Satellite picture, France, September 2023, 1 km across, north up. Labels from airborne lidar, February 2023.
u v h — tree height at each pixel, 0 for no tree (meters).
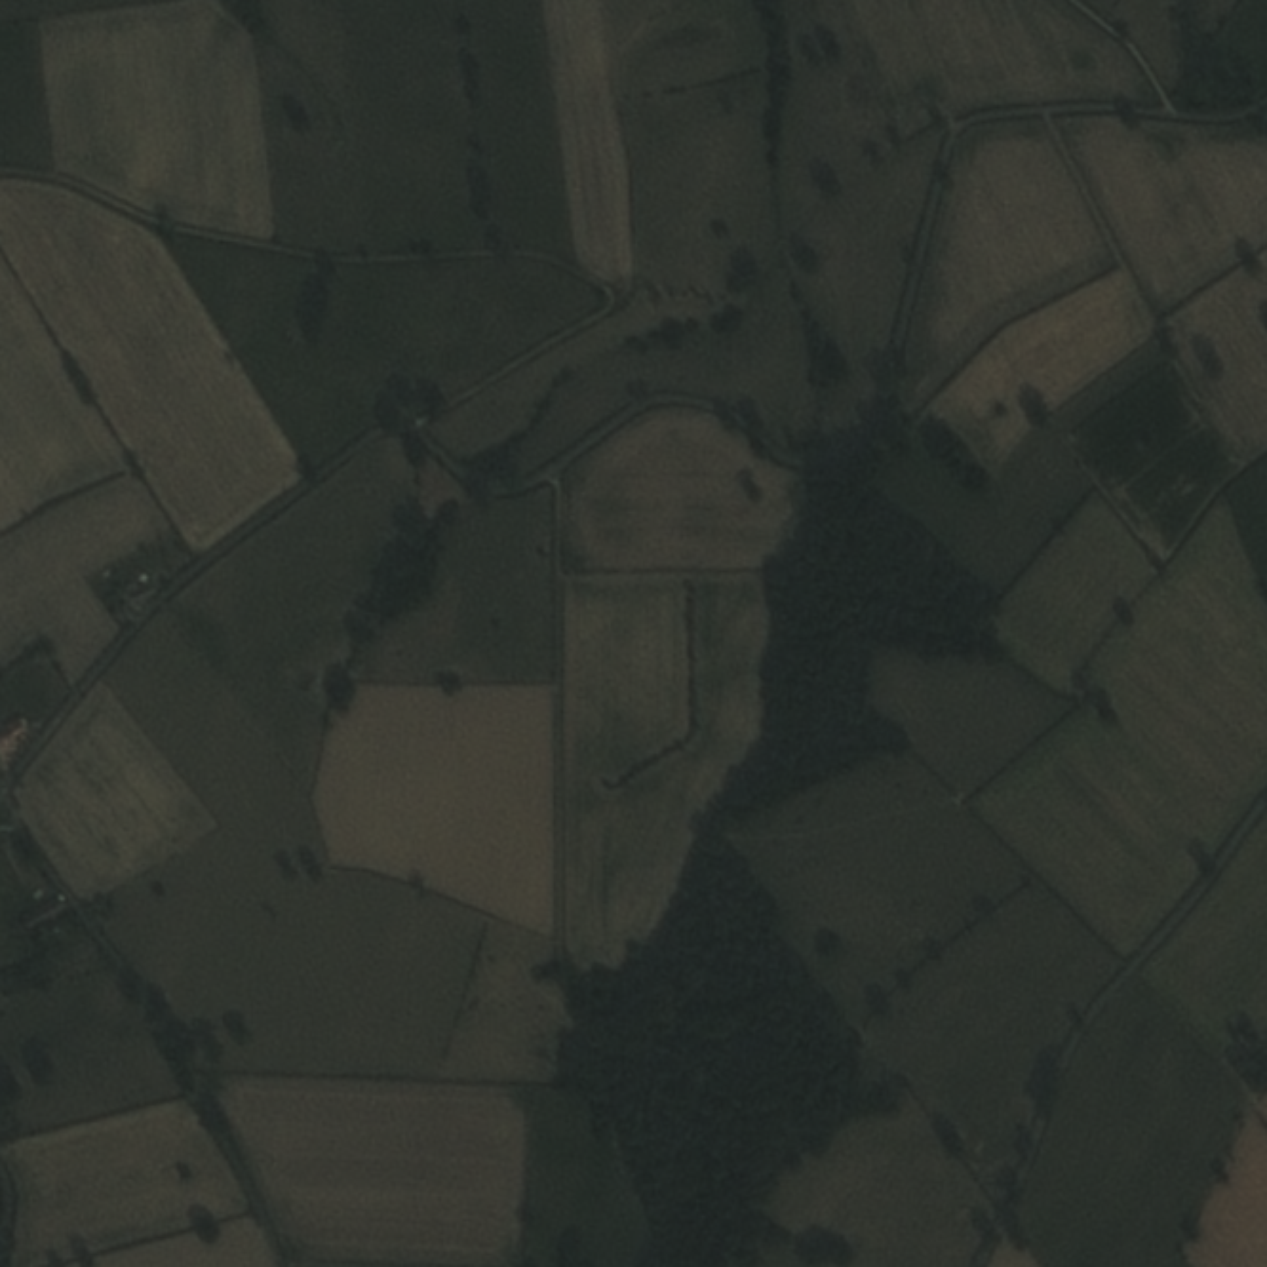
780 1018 23
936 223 0
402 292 0
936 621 22
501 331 0
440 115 0
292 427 0
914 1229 0
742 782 21
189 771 0
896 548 18
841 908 0
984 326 0
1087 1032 0
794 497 0
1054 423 0
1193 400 0
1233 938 0
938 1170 0
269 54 0
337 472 0
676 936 13
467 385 0
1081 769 0
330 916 0
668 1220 16
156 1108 0
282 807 0
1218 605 0
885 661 0
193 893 0
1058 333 0
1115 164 0
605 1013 10
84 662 0
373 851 0
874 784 0
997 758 0
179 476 0
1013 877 0
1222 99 22
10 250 0
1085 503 0
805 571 20
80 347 0
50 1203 0
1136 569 0
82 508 0
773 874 0
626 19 0
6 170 0
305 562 0
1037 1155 0
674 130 0
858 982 0
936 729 0
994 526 0
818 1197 0
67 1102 0
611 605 0
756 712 0
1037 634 0
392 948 0
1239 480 0
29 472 0
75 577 0
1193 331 0
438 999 0
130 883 0
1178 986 0
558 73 0
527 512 0
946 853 0
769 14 21
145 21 0
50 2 0
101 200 0
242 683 0
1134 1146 0
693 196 0
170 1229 0
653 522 0
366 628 15
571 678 0
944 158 0
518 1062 0
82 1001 0
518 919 0
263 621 0
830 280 0
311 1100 0
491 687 0
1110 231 0
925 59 0
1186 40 0
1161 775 0
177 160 0
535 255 0
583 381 0
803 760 15
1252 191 0
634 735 0
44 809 0
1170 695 0
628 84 0
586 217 0
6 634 0
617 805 0
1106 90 0
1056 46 0
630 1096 24
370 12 0
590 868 0
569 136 0
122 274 0
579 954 0
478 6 0
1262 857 0
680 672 0
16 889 0
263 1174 0
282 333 0
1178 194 0
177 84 0
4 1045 0
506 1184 0
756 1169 17
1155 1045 0
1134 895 0
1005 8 0
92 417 0
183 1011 0
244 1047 0
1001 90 0
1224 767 0
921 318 0
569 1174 0
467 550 0
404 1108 0
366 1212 0
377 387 0
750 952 16
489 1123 0
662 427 0
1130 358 0
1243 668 0
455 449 0
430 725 0
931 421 0
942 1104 0
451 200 0
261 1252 0
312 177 0
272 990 0
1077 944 0
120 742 0
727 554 0
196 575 0
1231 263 0
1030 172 0
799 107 0
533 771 0
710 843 16
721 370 0
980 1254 0
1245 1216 0
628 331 0
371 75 0
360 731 0
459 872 0
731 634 0
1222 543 0
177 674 0
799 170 0
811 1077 20
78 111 0
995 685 0
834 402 0
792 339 0
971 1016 0
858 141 0
